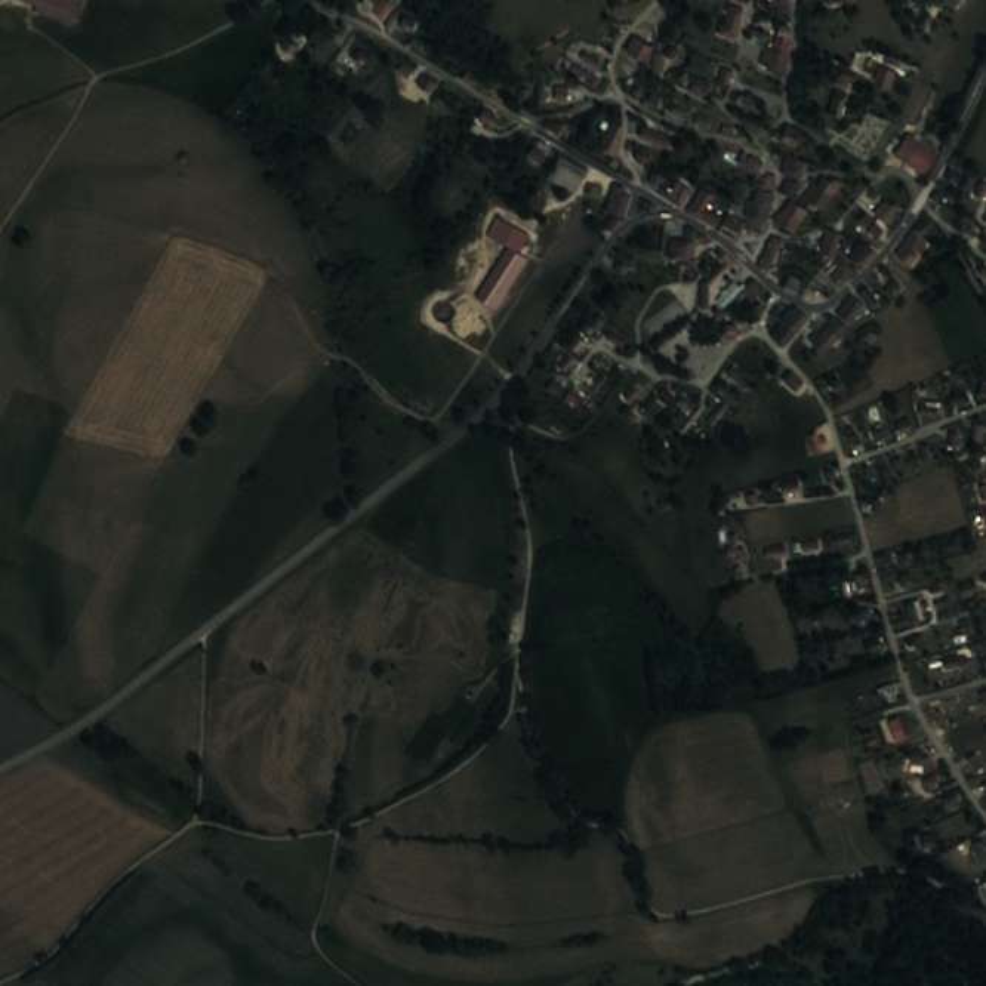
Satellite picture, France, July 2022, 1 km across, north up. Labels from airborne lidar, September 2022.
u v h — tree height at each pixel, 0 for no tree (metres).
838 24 0
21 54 0
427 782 6
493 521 0
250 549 0
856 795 0
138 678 0
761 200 0
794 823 0
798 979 14
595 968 0
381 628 0
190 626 0
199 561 0
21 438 0
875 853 0
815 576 11
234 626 0
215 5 0
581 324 9
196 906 0
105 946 0
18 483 0
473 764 0
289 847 0
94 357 0
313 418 0
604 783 0
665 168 9
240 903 0
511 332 0
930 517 0
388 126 0
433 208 8
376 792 0
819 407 0
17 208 0
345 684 0
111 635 0
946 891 8
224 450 0
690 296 0
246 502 0
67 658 0
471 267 0
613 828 19
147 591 0
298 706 0
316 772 0
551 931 0
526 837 0
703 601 0
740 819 0
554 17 0
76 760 0
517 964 0
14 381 0
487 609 0
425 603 0
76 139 0
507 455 0
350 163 0
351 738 0
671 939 0
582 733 0
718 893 0
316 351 0
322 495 0
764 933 0
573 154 0
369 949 0
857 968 8
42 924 0
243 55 0
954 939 20
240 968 0
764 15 8
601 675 0
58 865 0
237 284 0
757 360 0
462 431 0
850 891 17
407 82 0
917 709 0
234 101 7
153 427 0
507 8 0
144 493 0
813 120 17
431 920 0
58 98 0
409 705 0
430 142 6
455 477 0
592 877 0
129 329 0
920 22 0
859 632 10
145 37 0
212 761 0
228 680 0
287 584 0
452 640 0
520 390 25
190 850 0
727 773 0
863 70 0
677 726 0
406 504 0
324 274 14
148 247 0
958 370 7
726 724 0
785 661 0
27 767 0
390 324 6
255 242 0
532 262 0
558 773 12
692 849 0
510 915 0
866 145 0
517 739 0
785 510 0
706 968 10
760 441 0
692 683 25
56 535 0
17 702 0
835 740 0
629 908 0
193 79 0
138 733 0
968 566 0
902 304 7
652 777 0
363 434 0
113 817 0
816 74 25
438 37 19
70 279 0
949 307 0
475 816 0
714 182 6
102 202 0
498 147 11
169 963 0
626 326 0
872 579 0
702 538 0
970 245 10
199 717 0
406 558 0
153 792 0
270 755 0
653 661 24
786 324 0
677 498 17
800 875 0
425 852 0
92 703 0
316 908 0
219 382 0
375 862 0
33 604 0
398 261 0
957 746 0
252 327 0
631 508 0
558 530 0
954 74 0
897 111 9
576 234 0
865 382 0
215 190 0
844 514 0
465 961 0
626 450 0
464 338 0
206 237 0
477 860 0
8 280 0
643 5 0
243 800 0
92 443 0
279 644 0
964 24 0
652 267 0
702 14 11
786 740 17
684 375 11
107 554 0
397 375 0
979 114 0
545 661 0
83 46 0
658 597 6
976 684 0
